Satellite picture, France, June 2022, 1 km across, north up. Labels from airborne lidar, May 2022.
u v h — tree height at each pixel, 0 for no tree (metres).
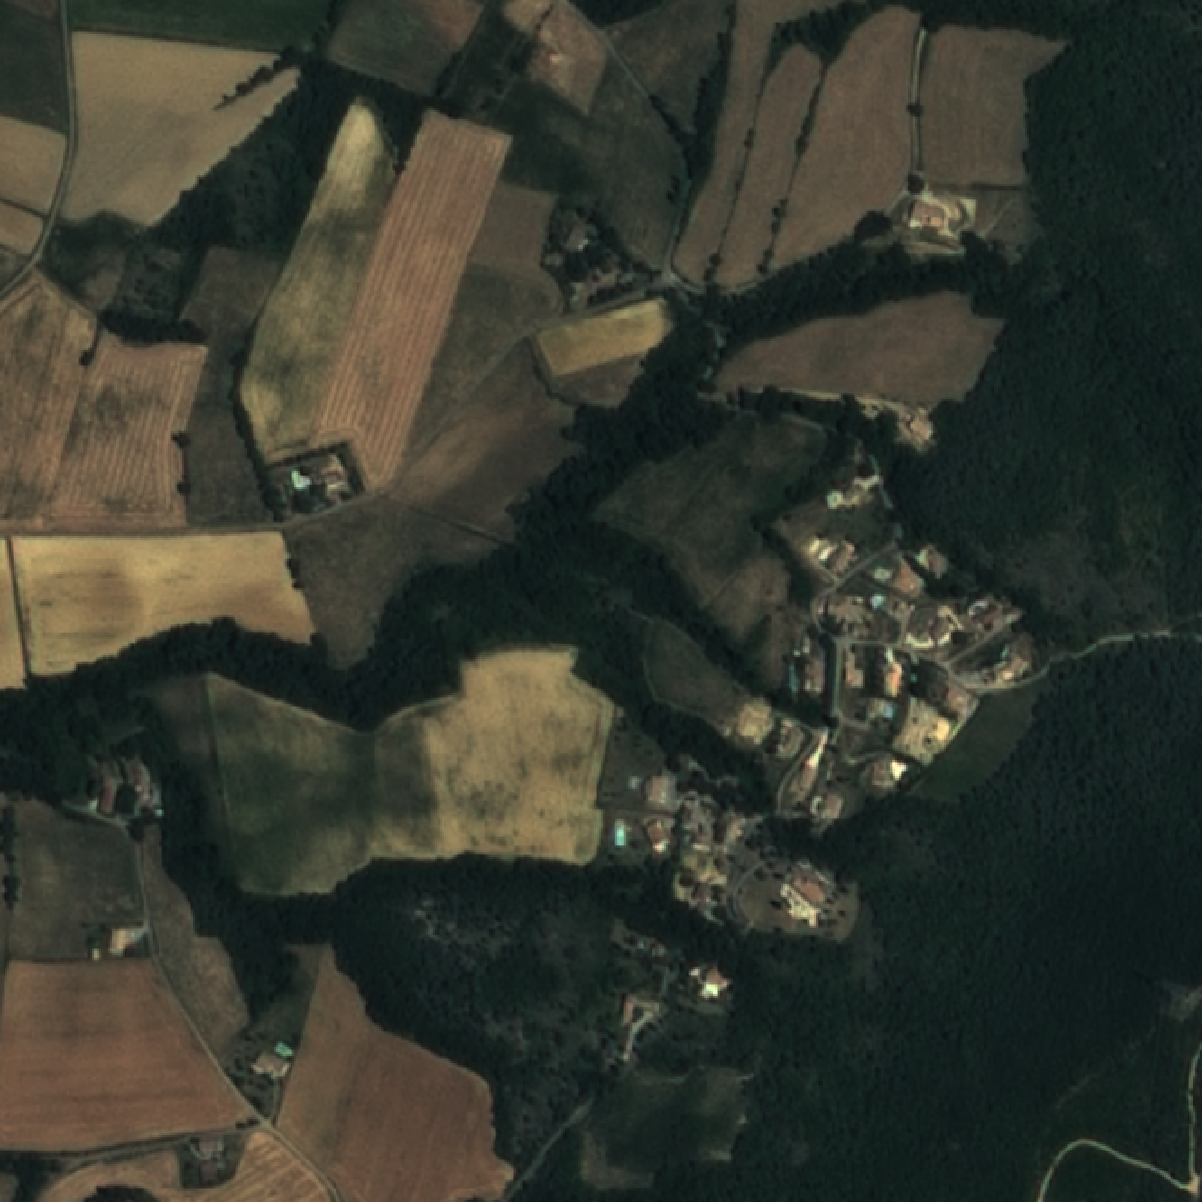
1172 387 13
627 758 0
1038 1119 6
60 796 17
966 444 9
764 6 0
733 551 0
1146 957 7
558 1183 10
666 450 10
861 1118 7
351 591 0
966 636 8
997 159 0
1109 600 0
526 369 0
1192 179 12
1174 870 9
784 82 0
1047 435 6
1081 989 8
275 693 10
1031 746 10
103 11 0
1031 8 15
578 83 0
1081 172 8
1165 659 7
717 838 8
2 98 0
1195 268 7
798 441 0
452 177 0
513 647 0
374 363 0
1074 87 6
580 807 0
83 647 0
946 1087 9
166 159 0
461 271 0
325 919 11
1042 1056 7
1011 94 0
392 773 0
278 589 0
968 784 0
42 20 0
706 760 14
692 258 0
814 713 8
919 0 15
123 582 0
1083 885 9
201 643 23
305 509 12
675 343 10
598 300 10
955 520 7
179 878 15
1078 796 10
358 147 0
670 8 0
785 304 17
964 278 13
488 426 0
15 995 0
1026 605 8
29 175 0
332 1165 0
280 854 0
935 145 0
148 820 9
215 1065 0
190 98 0
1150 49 6
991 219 0
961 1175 9
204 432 0
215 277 0
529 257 0
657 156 0
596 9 14
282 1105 0
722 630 10
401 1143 0
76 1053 0
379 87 9
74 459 0
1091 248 6
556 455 0
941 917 6
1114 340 13
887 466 9
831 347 0
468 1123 0
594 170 0
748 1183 7
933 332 0
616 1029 8
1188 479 11
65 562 0
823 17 6
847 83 0
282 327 0
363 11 0
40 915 0
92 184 0
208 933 6
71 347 0
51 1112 0
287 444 0
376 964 14
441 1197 0
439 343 0
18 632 0
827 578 0
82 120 0
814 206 0
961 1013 8
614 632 8
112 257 0
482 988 8
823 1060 7
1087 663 8
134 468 0
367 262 0
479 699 0
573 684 0
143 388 0
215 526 0
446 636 6
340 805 0
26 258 0
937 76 0
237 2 0
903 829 8
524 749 0
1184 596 8
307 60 6
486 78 0
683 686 0
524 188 0
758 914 0
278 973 14
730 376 0
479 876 15
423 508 0
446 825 0
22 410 0
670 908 14
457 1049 12
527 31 0
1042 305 5
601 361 0
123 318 10
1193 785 10
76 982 0
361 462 0
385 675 8
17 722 11
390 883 11
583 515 6
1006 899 5
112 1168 0
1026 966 10
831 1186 6
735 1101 0
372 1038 0
